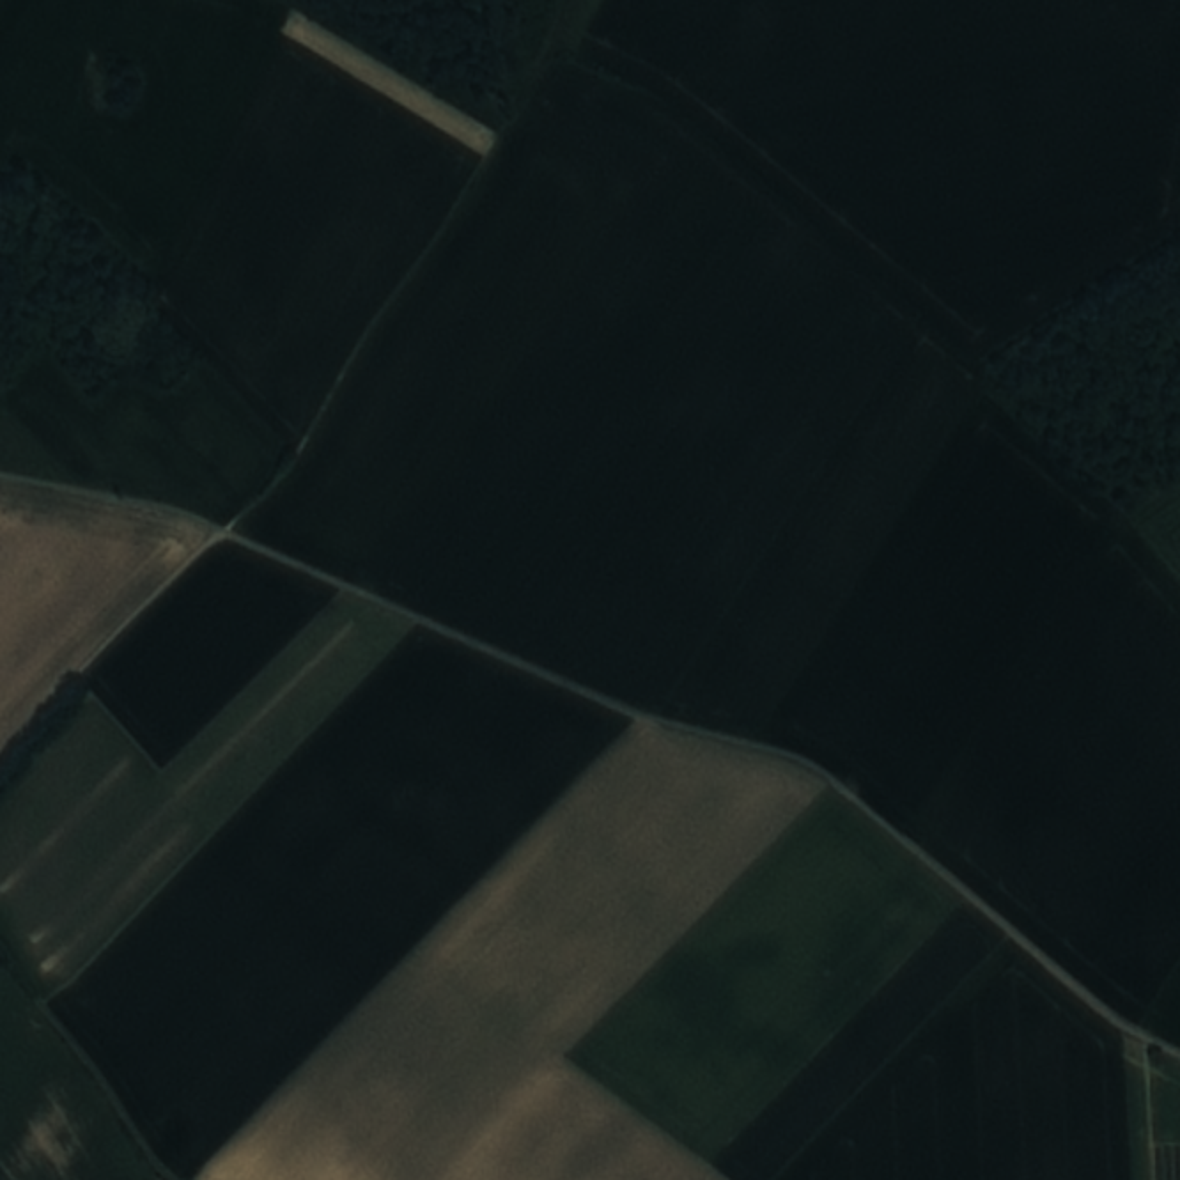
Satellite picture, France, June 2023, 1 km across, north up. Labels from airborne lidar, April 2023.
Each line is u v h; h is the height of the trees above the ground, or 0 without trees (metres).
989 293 0
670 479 0
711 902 0
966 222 0
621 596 0
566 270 0
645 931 0
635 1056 0
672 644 0
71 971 0
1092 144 0
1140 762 0
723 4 0
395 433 0
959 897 0
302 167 0
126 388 0
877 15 0
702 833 0
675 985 0
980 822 0
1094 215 0
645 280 0
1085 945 0
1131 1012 0
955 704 0
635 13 0
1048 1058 0
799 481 0
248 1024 0
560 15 0
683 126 0
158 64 0
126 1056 0
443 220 0
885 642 0
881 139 0
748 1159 0
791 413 0
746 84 0
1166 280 18
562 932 0
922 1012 0
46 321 16
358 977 0
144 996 0
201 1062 0
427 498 0
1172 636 0
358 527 0
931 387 0
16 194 26
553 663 0
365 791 0
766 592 0
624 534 0
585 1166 0
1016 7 0
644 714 0
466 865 0
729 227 0
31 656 0
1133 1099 0
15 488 0
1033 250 0
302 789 0
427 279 0
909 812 0
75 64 0
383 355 0
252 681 0
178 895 0
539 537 0
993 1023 0
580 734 0
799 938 0
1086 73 0
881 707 0
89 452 0
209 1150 0
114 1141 0
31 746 15
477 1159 0
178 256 0
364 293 0
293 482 0
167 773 0
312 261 0
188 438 0
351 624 0
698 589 0
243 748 0
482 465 0
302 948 0
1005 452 0
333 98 0
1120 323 26
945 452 0
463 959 0
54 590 0
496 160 0
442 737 0
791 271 0
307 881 0
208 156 0
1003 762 0
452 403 0
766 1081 0
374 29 20
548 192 0
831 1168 0
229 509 0
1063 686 0
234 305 0
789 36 0
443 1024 0
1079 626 0
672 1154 0
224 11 0
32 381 0
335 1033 0
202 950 0
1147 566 0
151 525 0
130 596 0
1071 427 18
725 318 0
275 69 0
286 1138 0
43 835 0
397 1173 0
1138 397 27
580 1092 0
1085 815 0
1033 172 0
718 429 0
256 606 0
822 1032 0
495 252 0
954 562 0
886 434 0
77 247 23
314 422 0
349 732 0
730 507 0
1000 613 0
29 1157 0
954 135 0
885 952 0
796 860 0
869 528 0
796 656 0
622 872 0
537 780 0
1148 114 0
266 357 0
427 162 0
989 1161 0
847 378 0
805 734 0
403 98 0
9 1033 0
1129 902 0
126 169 0
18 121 0
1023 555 0
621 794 0
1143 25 0
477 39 8
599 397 0
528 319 0
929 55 0
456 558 0
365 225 0
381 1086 0
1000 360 12
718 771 0
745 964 0
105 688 0
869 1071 0
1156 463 18
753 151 0
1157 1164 0
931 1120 0
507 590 0
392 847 0
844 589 0
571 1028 0
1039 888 0
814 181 0
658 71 0
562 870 0
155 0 0
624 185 0
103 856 0
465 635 0
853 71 0
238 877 0
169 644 0
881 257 0
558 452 0
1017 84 0
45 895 0
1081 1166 0
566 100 0
